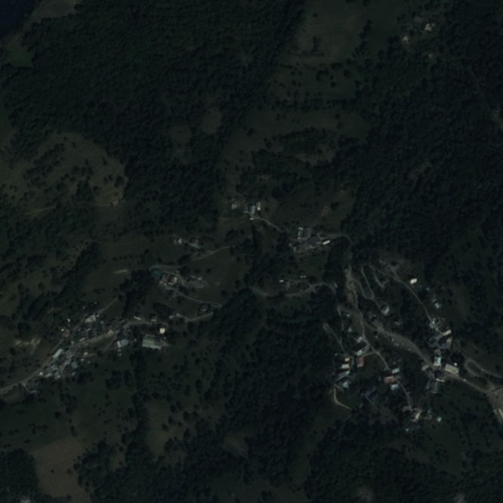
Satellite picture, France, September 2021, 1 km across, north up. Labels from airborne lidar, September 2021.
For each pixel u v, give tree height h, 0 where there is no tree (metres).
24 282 0
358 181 17
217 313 10
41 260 14
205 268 0
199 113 17
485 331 13
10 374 6
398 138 21
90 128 31
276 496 0
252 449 26
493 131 26
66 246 13
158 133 24
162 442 0
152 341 0
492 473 15
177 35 27
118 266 0
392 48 21
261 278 14
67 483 0
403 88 22
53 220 16
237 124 21
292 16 24
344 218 0
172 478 19
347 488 25
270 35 18
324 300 18
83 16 15
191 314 0
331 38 0
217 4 20
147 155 23
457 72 19
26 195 10
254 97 20
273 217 0
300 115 0
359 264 11
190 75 20
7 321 14
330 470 26
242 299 16
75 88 22
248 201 7
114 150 27
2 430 0
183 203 24
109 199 0
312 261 0
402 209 8
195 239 0
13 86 19
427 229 17
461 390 0
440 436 0
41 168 15
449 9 15
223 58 17
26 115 26
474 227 15
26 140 17
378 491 20
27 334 16
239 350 15
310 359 21
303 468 0
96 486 17
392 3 0
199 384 14
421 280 0
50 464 0
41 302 16
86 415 0
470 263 0
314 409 18
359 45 0
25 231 15
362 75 15
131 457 20
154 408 0
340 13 0
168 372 0
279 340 20
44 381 11
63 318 7
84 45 14
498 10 26
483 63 25
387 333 0
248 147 0
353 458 22
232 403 23
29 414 0
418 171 17
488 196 25
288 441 23
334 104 12
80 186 9
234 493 0
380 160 22
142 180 20
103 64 18
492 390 0
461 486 14
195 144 16
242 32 17
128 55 21
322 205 0
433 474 20
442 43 10
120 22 18
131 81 26
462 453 0
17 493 18
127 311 17
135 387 23
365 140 0
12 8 16
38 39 18
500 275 12
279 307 10
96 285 0
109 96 26
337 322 17
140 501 22
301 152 21
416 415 0
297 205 0
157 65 23
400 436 11
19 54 0
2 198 9
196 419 18
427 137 17
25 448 0
